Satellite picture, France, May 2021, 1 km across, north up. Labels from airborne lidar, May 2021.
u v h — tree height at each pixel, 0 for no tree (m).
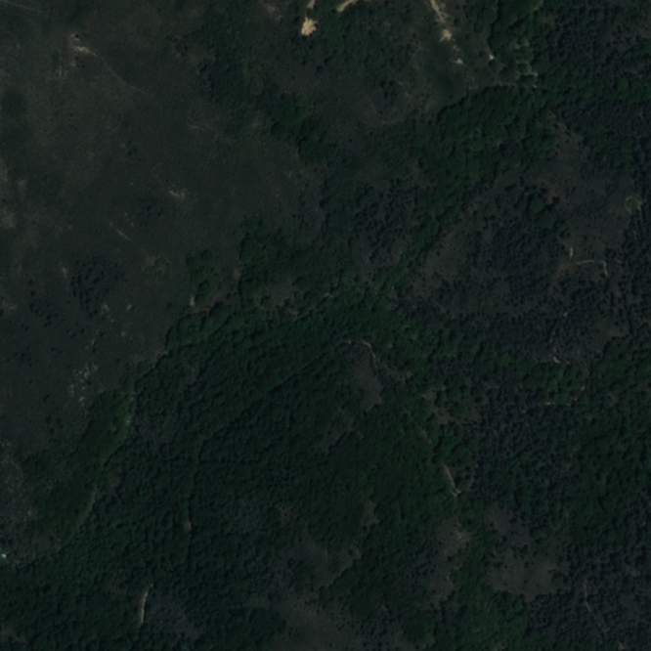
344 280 16
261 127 6
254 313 14
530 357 16
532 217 19
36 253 0
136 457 14
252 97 14
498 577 0
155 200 7
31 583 24
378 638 7
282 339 15
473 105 17
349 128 0
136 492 7
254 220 15
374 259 17
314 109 9
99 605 29
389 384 15
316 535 11
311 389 12
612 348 17
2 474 6
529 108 18
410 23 20
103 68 0
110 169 0
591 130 18
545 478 16
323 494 10
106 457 16
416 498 29
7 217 0
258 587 8
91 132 0
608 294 8
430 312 28
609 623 13
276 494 15
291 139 9
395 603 19
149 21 0
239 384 22
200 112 0
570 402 11
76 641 25
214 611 21
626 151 20
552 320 11
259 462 21
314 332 18
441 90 0
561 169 0
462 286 7
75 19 6
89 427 11
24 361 13
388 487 14
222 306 19
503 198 9
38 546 12
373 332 11
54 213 0
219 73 22
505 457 11
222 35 13
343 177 22
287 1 6
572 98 21
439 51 0
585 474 18
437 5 0
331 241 18
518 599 9
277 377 22
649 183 20
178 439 7
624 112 17
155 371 12
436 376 14
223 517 12
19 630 9
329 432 6
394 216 19
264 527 8
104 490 13
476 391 16
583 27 19
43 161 0
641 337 21
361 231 18
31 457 11
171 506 18
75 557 18
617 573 20
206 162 0
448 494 19
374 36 24
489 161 14
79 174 0
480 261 11
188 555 14
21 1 0
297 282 9
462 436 20
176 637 13
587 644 24
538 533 15
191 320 18
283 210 9
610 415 16
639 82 19
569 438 16
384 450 10
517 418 20
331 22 19
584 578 15
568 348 8
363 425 12
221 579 16
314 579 9
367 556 15
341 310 17
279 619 14
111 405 15
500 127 16
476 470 10
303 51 12
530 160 17
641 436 6
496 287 9
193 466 24
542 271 8
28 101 0
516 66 15
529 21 20
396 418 15
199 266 11
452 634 24
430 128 10
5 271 0
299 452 12
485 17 17
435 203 26
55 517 16
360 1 11
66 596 33
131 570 9
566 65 17
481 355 16
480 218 6
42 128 0
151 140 0
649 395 15
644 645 9
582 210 9
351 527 15
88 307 11
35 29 0
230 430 18
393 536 31
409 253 10
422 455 9
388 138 6
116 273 6
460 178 24
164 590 9
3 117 0
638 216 15
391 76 15
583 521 12
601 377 14
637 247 18
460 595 12
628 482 10
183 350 19
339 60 6
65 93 0
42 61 0
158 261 8
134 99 0
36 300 6
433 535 8
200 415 19
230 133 7
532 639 15
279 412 22
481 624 16
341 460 11
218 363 22
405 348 27
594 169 6
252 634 20
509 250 12
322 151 20
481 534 21
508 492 22
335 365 18
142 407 10
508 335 18
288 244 17
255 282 20
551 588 0
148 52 0
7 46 0
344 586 12
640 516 17
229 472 19
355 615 8
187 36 8
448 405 14
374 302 16
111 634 18
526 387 9
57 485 12
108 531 17
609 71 17
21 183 0
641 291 13
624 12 8
